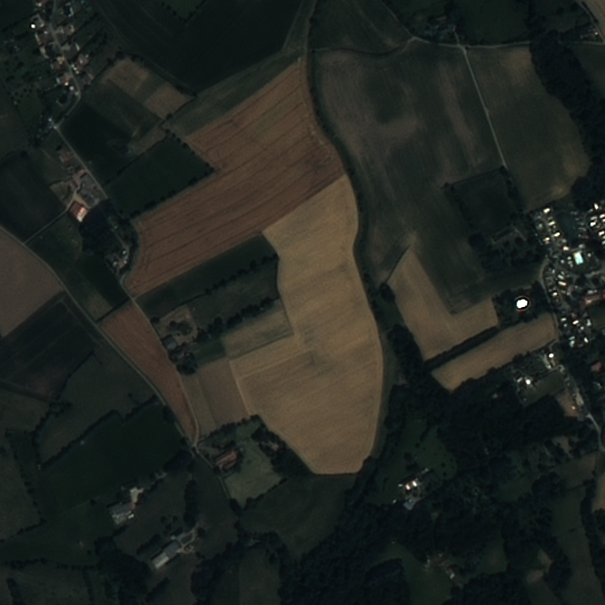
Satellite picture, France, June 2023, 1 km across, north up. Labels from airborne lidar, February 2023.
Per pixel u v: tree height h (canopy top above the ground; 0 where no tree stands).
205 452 0
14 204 0
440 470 0
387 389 0
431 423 12
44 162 0
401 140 0
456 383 0
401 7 0
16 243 0
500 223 0
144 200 0
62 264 0
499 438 14
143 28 0
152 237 0
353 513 27
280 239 0
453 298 0
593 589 0
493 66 0
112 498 0
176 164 0
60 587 0
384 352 0
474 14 0
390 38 0
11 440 8
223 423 0
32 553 0
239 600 0
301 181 0
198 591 18
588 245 11
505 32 0
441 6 0
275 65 0
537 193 0
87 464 0
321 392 0
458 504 16
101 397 0
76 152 0
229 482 0
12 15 0
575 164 0
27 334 0
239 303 0
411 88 0
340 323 0
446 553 0
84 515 0
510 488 0
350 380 0
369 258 0
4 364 0
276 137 0
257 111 0
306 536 0
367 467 11
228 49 0
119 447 0
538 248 9
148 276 0
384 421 0
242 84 0
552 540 11
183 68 0
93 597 7
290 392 0
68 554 0
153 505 0
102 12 0
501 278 0
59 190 0
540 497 22
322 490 0
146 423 0
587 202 14
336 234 0
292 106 0
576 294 9
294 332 0
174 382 0
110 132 0
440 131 0
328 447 0
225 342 0
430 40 8
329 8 0
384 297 16
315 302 0
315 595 29
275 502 0
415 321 0
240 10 0
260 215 0
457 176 0
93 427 7
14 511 0
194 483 11
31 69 0
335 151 0
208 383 0
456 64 0
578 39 10
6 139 0
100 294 0
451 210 0
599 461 0
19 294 0
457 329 0
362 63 0
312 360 0
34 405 0
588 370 7
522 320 6
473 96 0
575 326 9
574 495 0
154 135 0
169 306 0
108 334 0
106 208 24
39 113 0
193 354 6
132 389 0
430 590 0
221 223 0
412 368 18
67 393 0
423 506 15
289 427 0
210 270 0
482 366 0
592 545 10
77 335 0
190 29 0
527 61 0
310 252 0
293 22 0
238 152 0
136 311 0
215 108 0
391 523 18
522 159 0
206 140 0
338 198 0
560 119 0
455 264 0
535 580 0
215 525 0
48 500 0
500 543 0
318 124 0
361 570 27
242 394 0
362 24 0
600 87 0
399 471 0
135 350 0
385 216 0
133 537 0
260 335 0
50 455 0
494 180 0
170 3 0
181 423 0
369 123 0
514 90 0
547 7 0
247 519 0
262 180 0
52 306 0
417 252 0
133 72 0
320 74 0
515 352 0
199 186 0
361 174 0
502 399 13
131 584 21
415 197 0
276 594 0
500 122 0
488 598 23
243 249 0
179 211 0
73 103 0
